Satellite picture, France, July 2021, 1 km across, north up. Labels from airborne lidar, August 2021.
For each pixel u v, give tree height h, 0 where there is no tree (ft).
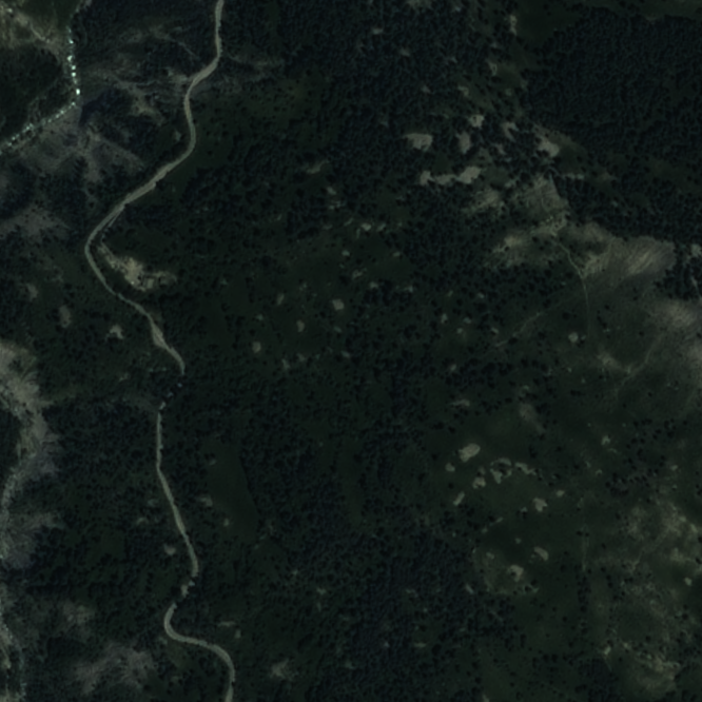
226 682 38
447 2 42
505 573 0
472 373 44
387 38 45
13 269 61
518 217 41
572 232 0
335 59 64
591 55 68
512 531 0
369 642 50
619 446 0
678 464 0
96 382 20
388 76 63
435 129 36
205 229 35
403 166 35
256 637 34
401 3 53
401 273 0
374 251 0
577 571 21
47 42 0
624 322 0
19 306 40
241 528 0
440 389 0
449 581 38
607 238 0
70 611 0
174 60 24
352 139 41
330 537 61
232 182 31
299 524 64
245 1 54
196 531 21
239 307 0
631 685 0
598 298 0
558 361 20
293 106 25
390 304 66
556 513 0
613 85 44
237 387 51
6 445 46
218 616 26
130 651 0
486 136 64
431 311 0
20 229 31
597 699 29
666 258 0
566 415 0
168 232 49
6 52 24
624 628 0
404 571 60
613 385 0
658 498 0
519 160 39
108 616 20
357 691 25
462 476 0
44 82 41
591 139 56
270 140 39
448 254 47
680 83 41
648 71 66
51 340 25
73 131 0
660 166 0
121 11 55
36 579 35
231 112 23
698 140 64
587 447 0
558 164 46
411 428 24
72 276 0
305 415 19
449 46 53
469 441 0
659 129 57
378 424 24
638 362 0
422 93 56
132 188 28
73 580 42
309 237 27
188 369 22
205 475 27
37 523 0
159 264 42
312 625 30
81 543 21
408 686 56
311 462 70
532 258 0
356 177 23
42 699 19
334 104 37
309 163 23
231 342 0
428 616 25
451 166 0
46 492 24
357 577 24
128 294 54
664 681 0
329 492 64
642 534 0
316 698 30
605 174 0
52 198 21
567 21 0
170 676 37
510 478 0
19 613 29
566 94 65
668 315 0
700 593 0
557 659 48
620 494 25
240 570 50
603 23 65
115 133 24
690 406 0
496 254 0
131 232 23
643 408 0
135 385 26
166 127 0
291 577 26
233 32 31
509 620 34
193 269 51
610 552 0
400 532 21
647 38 63
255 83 27
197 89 0
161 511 39
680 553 0
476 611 20
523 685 0
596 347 0
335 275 0
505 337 0
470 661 0
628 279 0
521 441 0
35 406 0
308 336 0
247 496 0
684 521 0
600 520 0
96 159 0
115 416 29
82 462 44
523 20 0
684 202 40
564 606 0
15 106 35
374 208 28
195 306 46
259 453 49
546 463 0
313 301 22
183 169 0
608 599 0
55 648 51
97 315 51
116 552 0
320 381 39
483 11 37
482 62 50
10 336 26
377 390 0
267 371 0
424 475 31
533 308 0
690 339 0
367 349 45
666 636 0
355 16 64
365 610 22
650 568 0
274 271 22
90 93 0
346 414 33
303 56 61
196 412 56
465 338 0
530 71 52
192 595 22
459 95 55
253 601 26
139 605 37
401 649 77
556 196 0
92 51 28
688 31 57
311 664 26
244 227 37
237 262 31
